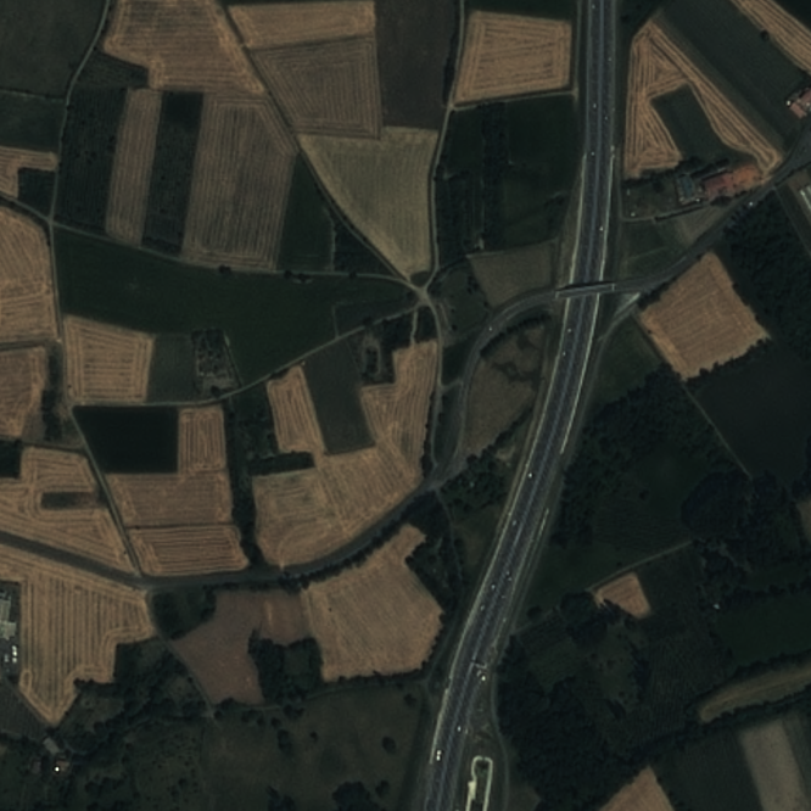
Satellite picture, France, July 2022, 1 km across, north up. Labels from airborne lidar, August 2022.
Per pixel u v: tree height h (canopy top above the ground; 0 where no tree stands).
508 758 0
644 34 0
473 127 0
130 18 0
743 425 0
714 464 10
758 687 0
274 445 6
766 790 0
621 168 0
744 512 21
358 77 0
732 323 0
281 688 9
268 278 0
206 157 0
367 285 0
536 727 20
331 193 0
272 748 0
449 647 0
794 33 0
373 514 0
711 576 20
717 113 0
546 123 0
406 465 0
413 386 0
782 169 0
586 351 0
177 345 0
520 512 0
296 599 0
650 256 0
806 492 23
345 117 0
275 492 0
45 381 0
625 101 0
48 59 0
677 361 0
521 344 0
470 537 0
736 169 0
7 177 0
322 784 0
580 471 9
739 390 0
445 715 0
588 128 0
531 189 0
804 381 0
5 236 0
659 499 0
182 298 0
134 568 0
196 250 0
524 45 0
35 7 0
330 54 0
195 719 10
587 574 0
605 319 0
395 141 0
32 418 0
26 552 0
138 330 0
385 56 0
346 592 0
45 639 0
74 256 0
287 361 0
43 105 0
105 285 0
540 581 0
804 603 0
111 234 0
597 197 0
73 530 0
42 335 0
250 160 0
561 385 0
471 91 0
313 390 0
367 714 0
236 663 0
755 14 0
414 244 0
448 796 0
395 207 0
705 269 0
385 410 0
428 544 9
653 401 18
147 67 0
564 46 0
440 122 0
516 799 0
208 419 0
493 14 0
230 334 0
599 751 20
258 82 0
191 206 0
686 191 0
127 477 0
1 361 0
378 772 0
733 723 11
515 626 0
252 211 0
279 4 0
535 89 0
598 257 0
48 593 0
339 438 0
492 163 12
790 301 11
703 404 0
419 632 0
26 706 0
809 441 0
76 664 0
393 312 0
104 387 0
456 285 0
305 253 0
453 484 9
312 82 0
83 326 0
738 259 11
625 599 0
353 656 0
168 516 0
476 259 0
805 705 6
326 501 0
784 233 8
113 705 0
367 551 9
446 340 0
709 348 0
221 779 0
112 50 0
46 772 16
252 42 0
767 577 0
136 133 0
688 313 0
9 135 0
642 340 0
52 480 0
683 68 0
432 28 0
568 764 26
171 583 0
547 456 0
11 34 0
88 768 9
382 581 0
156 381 0
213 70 0
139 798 8
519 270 0
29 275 0
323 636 0
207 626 0
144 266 0
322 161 0
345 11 0
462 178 7
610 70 0
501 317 0
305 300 0
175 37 0
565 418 0
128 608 0
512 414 0
